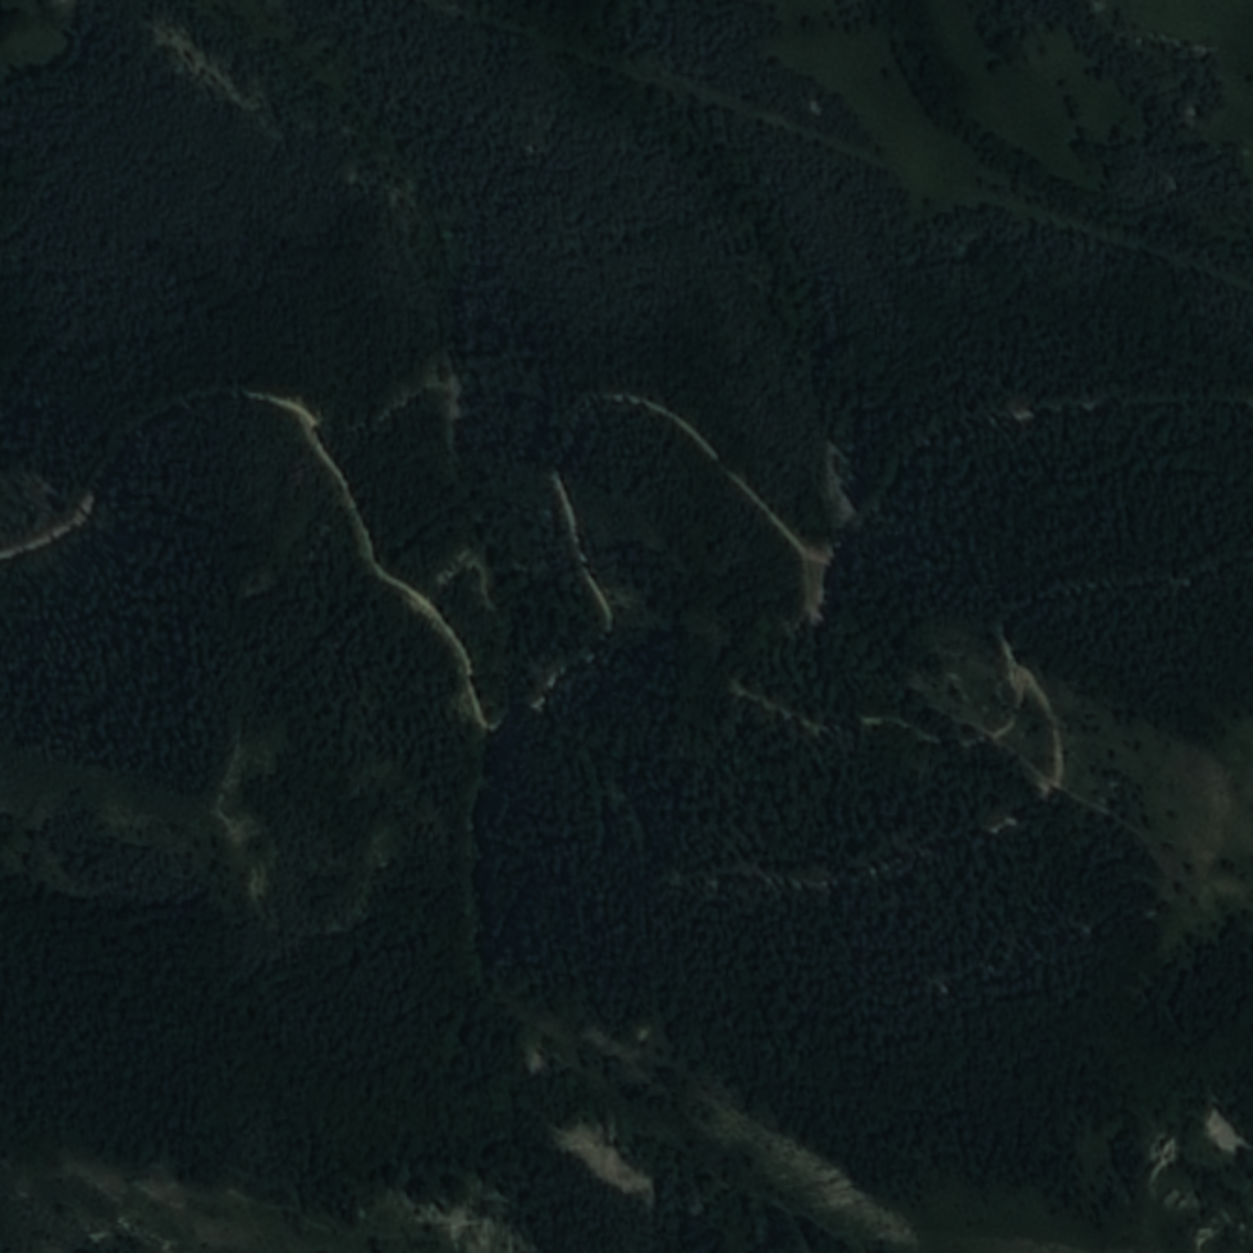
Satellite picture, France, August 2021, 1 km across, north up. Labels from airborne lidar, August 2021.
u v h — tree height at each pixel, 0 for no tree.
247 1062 16
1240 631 16
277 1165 11
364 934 19
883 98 0
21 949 23
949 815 11
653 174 14
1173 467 11
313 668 18
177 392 17
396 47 14
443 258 6
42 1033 26
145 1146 14
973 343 21
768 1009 18
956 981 21
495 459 9
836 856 19
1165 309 15
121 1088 18
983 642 7
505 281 15
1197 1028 16
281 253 16
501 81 19
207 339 16
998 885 6
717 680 17
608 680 12
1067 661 16
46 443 23
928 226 9
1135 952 13
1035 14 9
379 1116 21
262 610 16
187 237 14
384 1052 24
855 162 11
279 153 9
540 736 20
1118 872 16
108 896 7
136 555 24
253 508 10
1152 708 14
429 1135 17
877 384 16
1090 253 8
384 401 12
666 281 15
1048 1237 0
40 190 16
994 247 11
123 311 13
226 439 17
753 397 12
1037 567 10
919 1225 0
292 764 14
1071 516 13
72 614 17
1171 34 0
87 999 24
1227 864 12
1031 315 17
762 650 13
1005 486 9
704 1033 12
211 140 11
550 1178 10
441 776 22
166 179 13
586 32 12
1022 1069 16
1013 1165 14
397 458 12
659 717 22
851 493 0
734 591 9
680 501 15
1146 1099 9
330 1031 26
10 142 21
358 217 20
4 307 18
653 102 18
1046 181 13
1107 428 19
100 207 15
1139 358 16
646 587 16
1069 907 23
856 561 19
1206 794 0
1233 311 15
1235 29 0
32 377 18
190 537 22
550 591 14
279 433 12
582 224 11
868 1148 8
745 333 17
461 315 7
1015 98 0
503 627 7
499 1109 17
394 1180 18
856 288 14
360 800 8
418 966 23
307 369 15
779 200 7
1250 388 17
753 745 20
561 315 15
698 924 10
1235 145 7
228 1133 11
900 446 21
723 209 13
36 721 9
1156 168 7
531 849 24
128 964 26
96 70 16
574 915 19
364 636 23
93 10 9
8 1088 23
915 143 0
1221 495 12
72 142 14
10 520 8
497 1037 11
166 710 21
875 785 9
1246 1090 15
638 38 11
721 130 8
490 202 11
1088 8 9
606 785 6
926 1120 14
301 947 13
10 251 16
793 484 15
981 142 13
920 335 16
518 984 14
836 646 17
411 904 22
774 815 18
